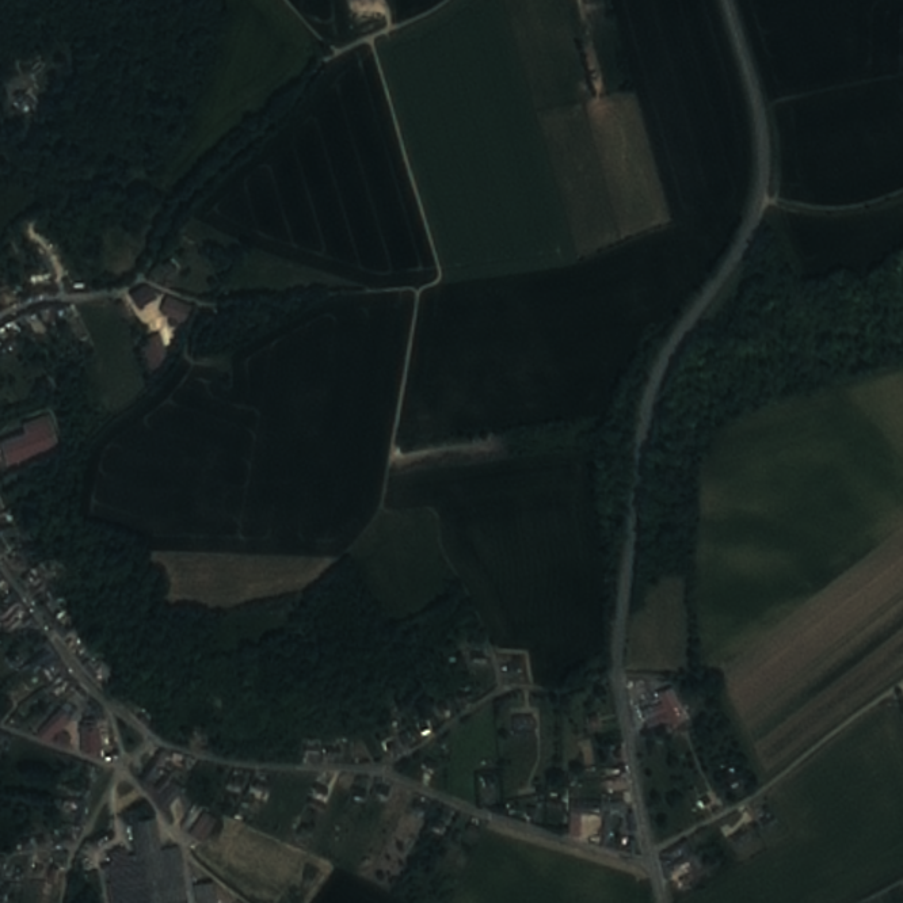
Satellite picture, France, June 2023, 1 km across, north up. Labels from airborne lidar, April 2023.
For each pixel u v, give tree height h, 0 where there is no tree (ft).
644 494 69
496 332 0
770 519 0
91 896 30
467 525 0
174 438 0
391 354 0
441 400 0
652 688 0
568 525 0
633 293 0
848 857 0
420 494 0
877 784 0
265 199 0
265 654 37
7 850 25
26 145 60
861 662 0
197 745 0
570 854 0
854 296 40
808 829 0
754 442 0
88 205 66
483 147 0
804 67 0
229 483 0
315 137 0
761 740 0
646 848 0
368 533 0
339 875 0
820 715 0
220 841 0
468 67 0
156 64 81
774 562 0
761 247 48
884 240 0
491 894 0
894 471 0
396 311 0
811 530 0
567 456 0
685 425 85
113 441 0
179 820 0
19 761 0
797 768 0
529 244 0
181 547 0
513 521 0
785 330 25
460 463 0
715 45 0
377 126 0
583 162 0
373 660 55
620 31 0
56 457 39
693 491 64
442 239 0
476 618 22
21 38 75
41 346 29
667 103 0
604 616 25
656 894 0
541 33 0
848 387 0
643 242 0
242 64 0
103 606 57
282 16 0
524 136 0
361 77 0
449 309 0
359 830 0
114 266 0
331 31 0
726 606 0
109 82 83
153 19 81
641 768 0
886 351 55
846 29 0
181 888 0
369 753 0
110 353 0
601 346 0
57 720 0
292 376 0
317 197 0
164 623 60
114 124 78
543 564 0
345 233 0
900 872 0
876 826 0
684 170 0
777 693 0
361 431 0
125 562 62
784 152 0
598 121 0
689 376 27
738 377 52
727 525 0
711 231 0
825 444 0
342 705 37
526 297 0
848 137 0
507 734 31
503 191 0
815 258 0
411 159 0
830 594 0
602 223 0
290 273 0
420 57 0
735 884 0
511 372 0
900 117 0
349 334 0
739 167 0
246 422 0
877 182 0
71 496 37
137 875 0
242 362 0
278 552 0
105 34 82
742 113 0
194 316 21
